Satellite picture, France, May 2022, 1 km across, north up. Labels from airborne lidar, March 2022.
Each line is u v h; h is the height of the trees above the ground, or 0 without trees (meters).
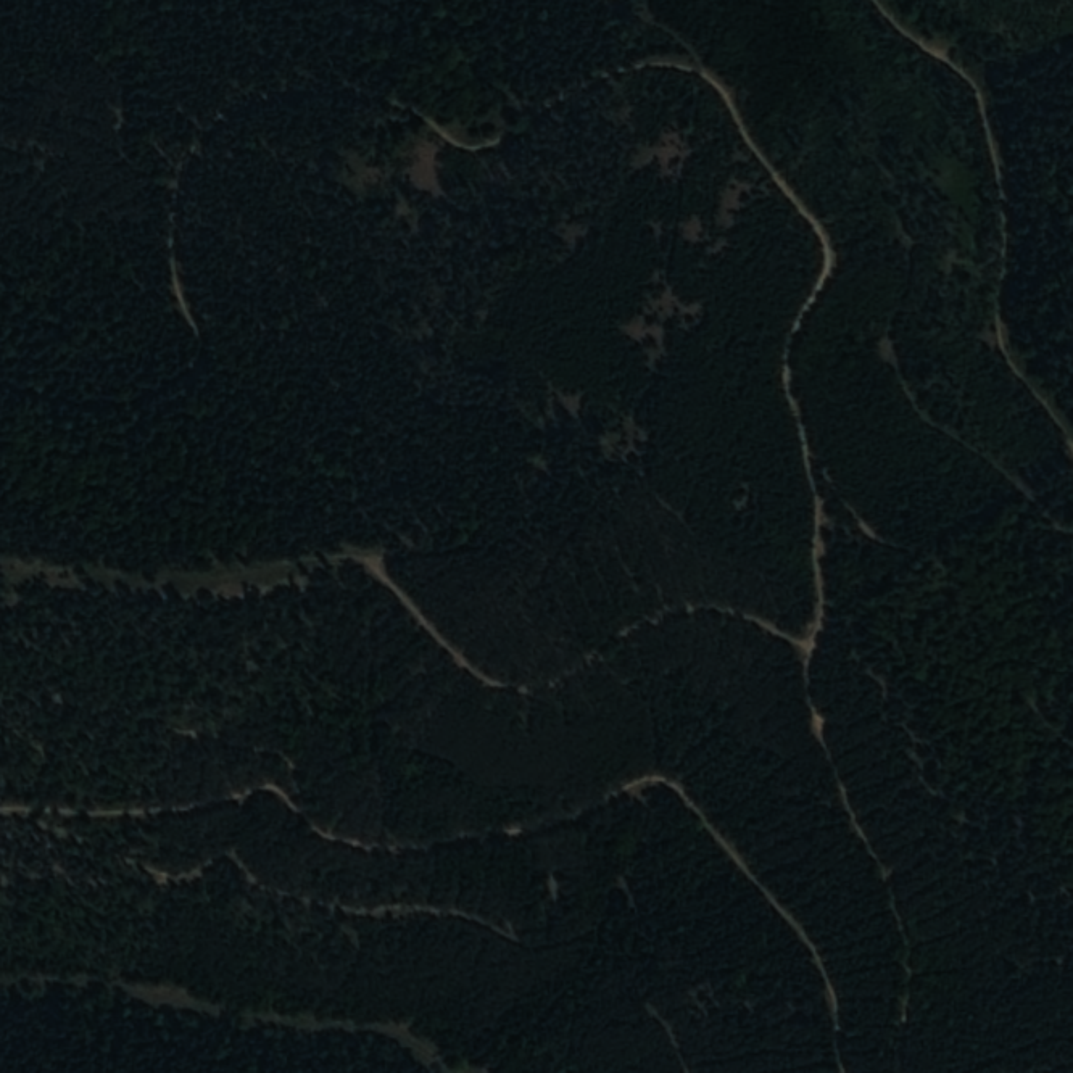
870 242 8
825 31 9
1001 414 8
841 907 18
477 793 18
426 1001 19
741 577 17
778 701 13
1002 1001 16
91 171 18
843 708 15
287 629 13
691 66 0
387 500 29
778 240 12
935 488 8
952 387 36
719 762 14
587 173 32
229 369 26
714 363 11
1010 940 9
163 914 17
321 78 28
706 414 14
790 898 19
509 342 6
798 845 18
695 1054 18
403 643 15
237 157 25
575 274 8
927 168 36
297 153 26
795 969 21
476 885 18
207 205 22
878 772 17
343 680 13
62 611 30
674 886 20
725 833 19
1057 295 13
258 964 13
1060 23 8
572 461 27
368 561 0
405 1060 23
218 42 29
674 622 18
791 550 11
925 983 10
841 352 13
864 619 16
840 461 14
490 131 9
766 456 15
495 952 18
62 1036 36
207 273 27
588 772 17
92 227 17
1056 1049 14
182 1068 30
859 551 8
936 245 27
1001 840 20
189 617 14
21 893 25
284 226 26
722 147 9
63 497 30
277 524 31
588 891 26
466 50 29
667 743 19
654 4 8
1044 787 27
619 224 14
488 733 14
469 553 19
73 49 24
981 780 28
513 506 22
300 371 30
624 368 10
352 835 16
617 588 15
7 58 20
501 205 31
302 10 33
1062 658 29
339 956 14
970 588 30
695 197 8
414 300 29
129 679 24
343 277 30
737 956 28
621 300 9
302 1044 25
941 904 12
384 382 25
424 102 29
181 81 23
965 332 33
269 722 11
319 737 16
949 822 22
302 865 16
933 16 13
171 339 30
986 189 13
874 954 9
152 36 27
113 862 32
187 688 21
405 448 25
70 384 26
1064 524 26
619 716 16
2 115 15
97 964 16
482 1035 20
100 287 24
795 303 11
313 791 17
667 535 18
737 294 12
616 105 29
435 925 18
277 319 25
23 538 24
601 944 22
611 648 16
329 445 29
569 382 8
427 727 15
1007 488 12
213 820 15
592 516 17
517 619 18
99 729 25
